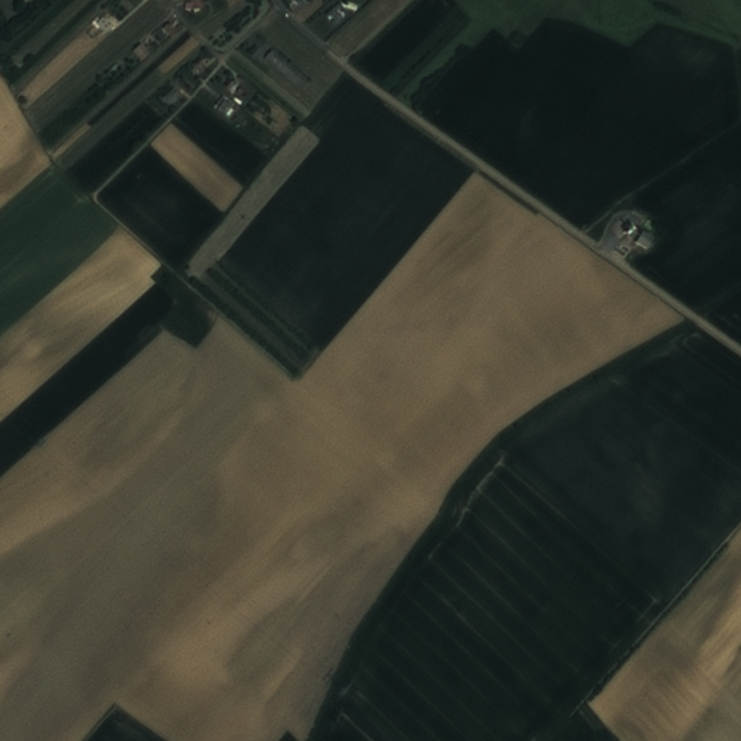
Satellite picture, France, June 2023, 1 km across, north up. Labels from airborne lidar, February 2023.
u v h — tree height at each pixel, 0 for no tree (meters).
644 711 0
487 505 0
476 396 0
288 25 0
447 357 0
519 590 0
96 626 0
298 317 0
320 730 0
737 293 0
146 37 0
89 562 0
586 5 0
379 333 0
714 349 0
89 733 0
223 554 0
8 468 0
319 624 0
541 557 0
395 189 0
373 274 0
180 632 0
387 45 0
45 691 0
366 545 0
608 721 0
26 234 0
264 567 0
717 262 0
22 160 0
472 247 0
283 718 0
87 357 0
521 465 0
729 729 0
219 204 0
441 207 0
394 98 0
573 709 0
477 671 0
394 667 0
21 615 0
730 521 0
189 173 0
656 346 0
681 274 0
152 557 0
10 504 0
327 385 0
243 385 0
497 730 0
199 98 0
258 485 0
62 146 0
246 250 0
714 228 0
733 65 0
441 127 0
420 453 0
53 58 0
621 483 0
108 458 0
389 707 0
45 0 7
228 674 0
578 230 0
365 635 0
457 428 0
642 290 0
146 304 0
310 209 0
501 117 0
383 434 0
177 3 0
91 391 0
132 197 0
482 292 0
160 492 0
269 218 0
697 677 0
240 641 0
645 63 0
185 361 0
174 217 0
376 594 0
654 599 0
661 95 0
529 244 0
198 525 0
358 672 0
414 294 0
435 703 0
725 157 0
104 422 0
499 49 0
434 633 0
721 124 0
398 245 0
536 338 0
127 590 0
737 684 0
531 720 0
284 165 0
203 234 0
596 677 0
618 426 0
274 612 0
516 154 0
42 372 0
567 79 0
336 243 0
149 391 0
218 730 0
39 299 0
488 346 0
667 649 0
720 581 0
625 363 0
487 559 0
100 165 0
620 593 0
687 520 0
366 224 0
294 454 0
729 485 0
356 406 0
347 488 0
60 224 0
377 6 0
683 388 0
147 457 0
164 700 0
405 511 0
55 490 0
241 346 0
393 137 0
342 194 0
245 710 0
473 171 0
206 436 0
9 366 0
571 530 0
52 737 0
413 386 0
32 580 0
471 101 0
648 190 0
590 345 0
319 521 0
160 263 0
